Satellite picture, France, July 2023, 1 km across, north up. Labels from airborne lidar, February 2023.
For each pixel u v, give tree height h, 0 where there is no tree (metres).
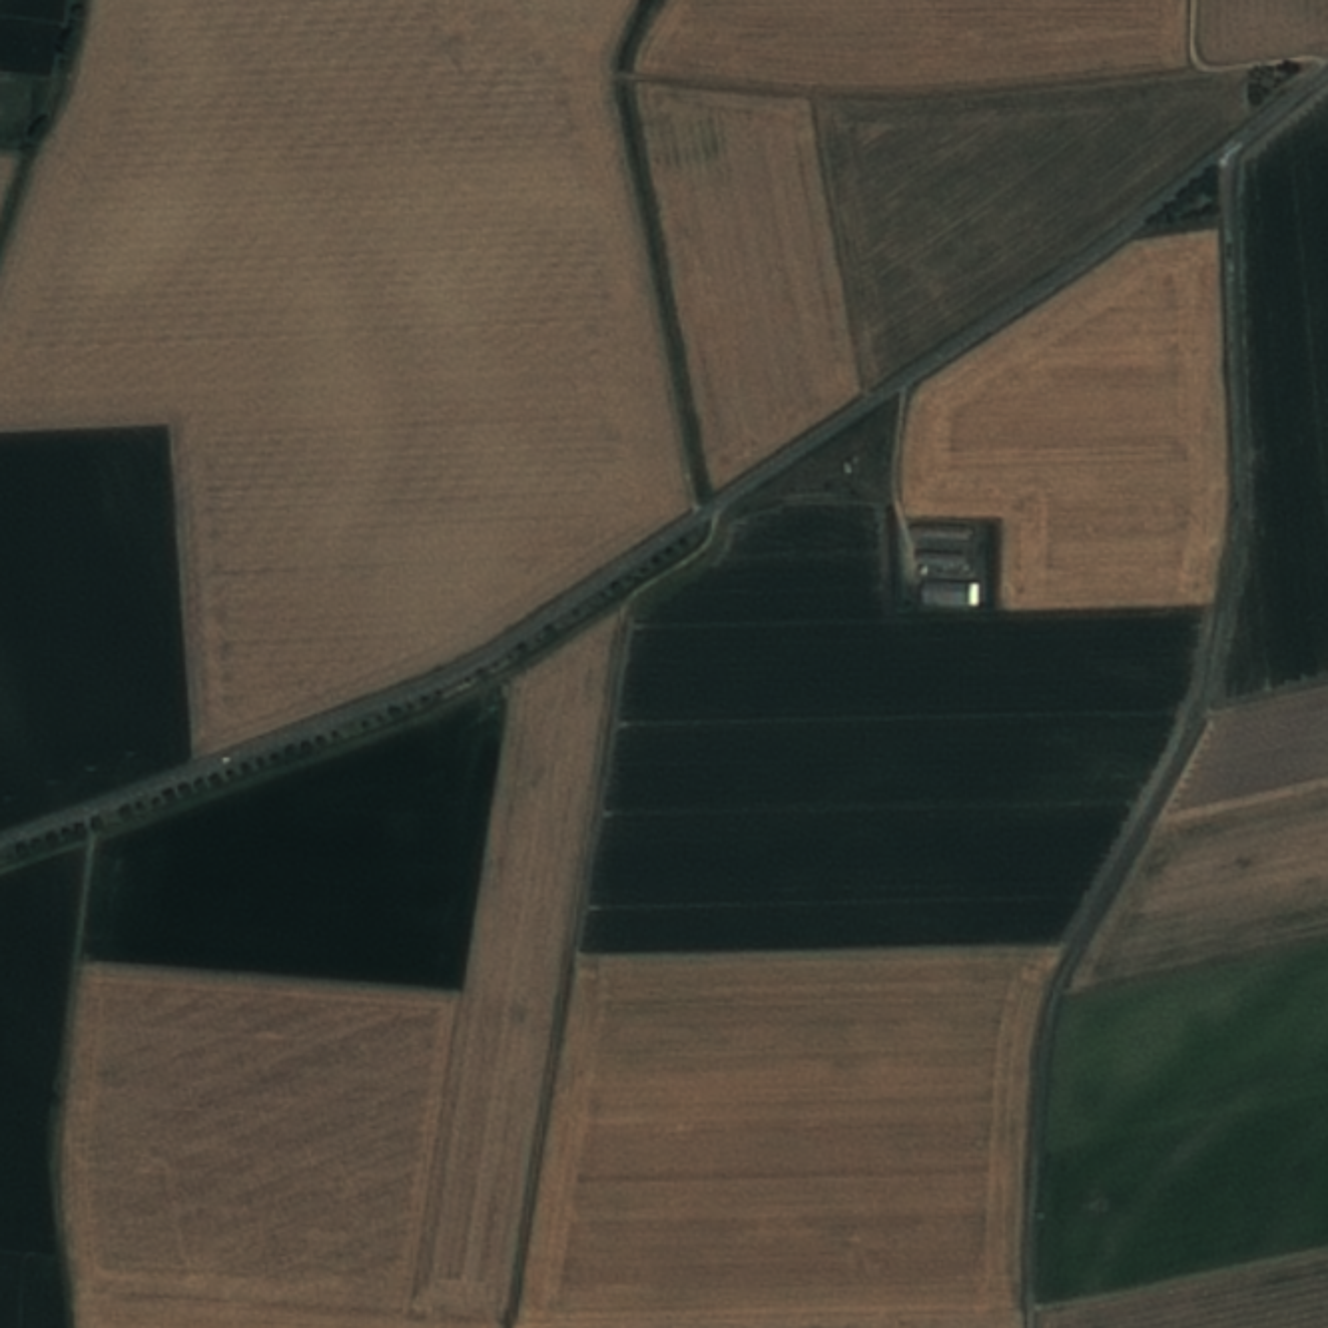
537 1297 0
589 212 0
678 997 0
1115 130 0
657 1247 0
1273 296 0
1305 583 0
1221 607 0
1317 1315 0
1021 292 0
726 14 0
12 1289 0
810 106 0
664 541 0
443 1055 0
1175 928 0
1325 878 0
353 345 0
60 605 0
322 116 0
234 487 0
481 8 0
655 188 0
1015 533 0
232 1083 0
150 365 0
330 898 0
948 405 0
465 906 0
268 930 0
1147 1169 0
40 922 0
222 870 0
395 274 0
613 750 0
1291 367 0
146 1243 0
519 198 0
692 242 0
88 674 0
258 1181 0
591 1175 0
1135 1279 0
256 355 0
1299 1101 0
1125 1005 0
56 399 0
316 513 0
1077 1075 0
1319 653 0
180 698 0
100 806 0
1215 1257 0
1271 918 0
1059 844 0
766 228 0
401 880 0
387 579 0
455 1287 0
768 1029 0
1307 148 0
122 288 0
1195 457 0
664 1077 0
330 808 0
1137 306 0
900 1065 0
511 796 0
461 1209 0
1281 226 0
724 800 0
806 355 0
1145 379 0
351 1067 0
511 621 0
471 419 0
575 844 0
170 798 11
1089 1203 0
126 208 0
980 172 0
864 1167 0
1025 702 0
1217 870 0
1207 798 0
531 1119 0
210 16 0
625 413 0
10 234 0
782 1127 0
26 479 0
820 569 0
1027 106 0
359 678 0
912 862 0
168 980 0
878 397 0
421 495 0
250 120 0
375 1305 0
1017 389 0
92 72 0
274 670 0
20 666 0
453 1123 0
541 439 0
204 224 0
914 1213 0
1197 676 0
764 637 0
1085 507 0
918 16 0
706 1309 0
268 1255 0
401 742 0
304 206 0
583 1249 0
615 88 0
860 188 0
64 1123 0
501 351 0
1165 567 0
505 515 0
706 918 0
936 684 0
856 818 0
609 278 0
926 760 0
